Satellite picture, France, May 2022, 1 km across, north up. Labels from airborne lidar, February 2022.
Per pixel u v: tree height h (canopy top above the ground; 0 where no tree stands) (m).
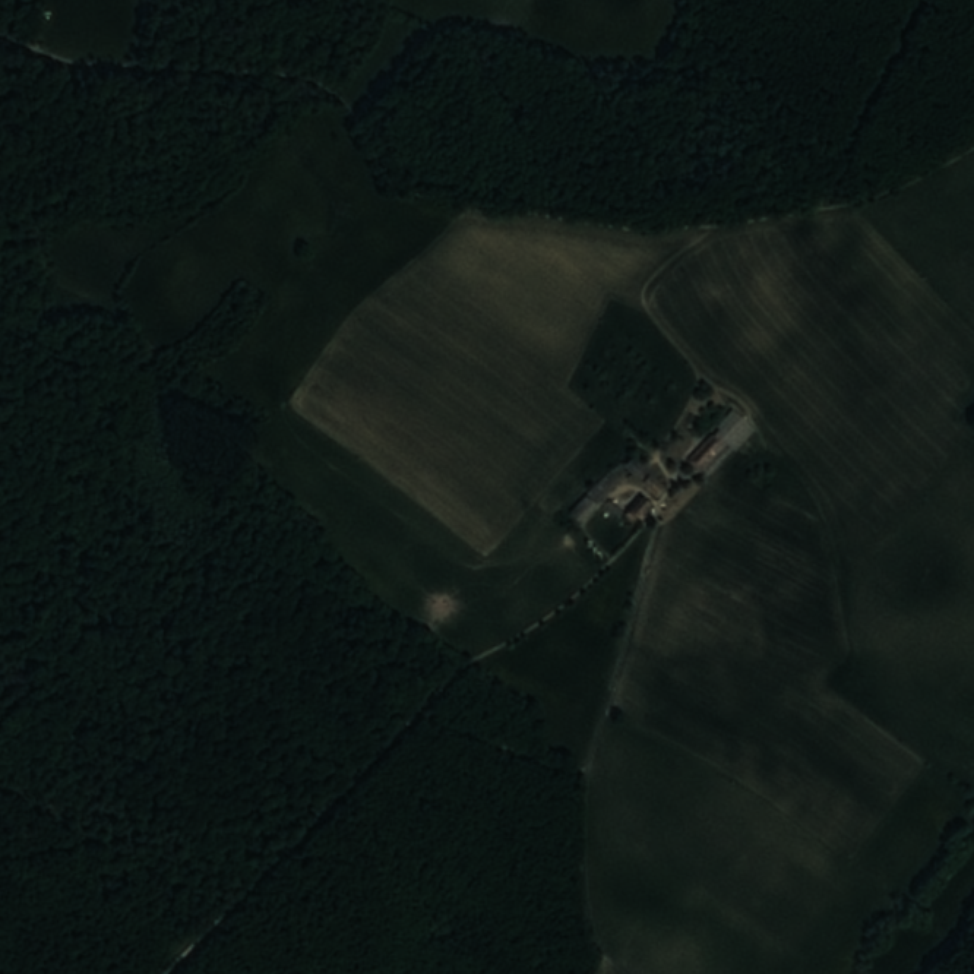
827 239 0
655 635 0
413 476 0
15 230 28
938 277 0
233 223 0
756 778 0
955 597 0
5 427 29
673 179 27
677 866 0
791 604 0
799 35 17
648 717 0
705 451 0
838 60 17
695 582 0
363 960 14
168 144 26
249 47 29
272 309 0
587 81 26
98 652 27
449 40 25
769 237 0
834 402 0
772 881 0
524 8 0
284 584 31
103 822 24
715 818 0
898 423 0
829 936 0
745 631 0
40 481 31
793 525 0
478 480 0
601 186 26
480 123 27
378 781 19
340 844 22
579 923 16
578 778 14
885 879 0
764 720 0
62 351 26
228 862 26
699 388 6
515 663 0
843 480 0
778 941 0
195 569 22
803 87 18
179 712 21
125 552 24
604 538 0
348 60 23
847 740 0
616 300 0
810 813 0
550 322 0
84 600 29
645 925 0
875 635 0
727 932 0
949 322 0
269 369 0
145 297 0
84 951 18
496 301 0
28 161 26
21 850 19
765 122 24
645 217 21
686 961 0
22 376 27
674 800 0
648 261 0
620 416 0
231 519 22
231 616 29
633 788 0
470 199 23
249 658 31
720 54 23
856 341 0
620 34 0
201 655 20
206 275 0
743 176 25
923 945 0
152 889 21
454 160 23
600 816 0
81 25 0
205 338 8
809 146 21
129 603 29
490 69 26
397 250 0
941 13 17
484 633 0
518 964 17
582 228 0
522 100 27
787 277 0
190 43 28
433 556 0
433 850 18
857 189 17
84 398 29
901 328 0
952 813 0
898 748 0
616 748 0
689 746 0
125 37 0
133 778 29
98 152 27
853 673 0
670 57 22
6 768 22
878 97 15
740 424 0
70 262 0
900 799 0
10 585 25
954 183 0
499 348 0
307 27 24
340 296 0
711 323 0
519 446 0
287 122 18
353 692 26
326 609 28
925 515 0
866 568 0
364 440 0
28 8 26
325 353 0
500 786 17
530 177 26
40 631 26
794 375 0
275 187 0
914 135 17
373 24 22
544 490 0
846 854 0
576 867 14
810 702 0
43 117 24
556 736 0
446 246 0
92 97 28
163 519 21
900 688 0
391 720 24
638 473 0
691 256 0
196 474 32
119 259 0
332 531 0
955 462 0
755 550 0
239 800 28
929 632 0
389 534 0
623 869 0
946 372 0
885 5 17
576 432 0
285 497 18
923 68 16
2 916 18
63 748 22
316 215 0
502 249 0
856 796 0
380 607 16
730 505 0
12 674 28
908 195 0
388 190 20
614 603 0
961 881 0
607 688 0
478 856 17
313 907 19
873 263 0
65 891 19
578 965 15
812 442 0
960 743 0
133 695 26
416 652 26
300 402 0
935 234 0
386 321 0
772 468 10
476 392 0
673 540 0
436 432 0
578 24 0
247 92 29
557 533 0
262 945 17
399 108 27
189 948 0
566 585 0
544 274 0
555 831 19
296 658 27
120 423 23
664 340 0
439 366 0
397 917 16
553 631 0
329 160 0
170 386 12
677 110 27
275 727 30
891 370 0
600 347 0
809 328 0
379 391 0
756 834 0
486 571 0
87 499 27
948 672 0
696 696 0
